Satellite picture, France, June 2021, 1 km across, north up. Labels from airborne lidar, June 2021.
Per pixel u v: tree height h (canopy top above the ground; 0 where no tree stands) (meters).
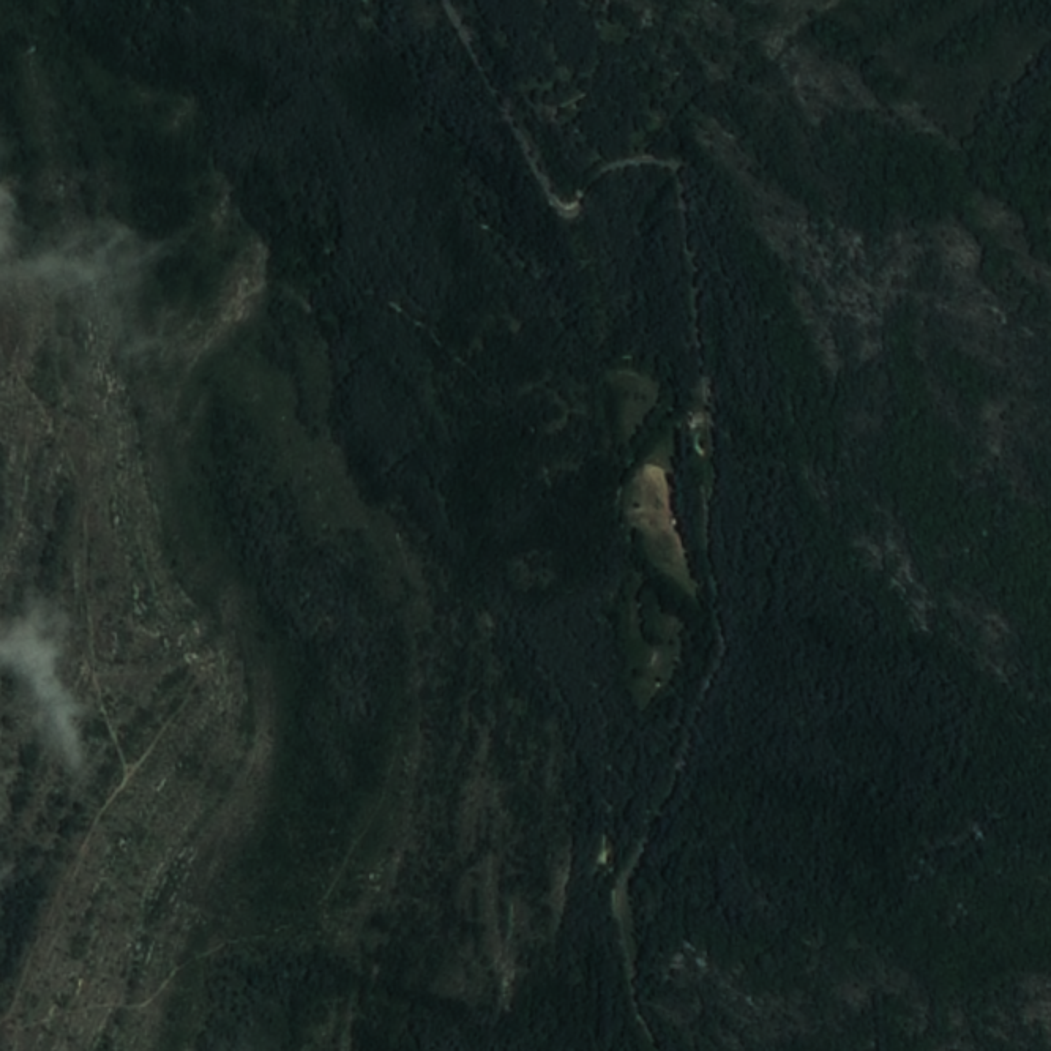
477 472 14
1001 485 6
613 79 14
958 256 0
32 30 7
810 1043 9
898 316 6
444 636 6
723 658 8
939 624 7
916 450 6
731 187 8
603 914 13
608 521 11
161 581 0
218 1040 12
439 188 10
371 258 16
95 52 10
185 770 0
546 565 11
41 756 0
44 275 0
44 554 7
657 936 6
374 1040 11
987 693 7
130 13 13
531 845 12
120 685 0
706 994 5
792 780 9
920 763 14
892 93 8
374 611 7
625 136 11
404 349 15
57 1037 0
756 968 8
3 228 0
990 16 6
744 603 12
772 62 6
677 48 10
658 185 14
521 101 9
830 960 7
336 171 16
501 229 19
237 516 9
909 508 5
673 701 12
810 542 8
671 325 13
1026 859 6
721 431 9
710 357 10
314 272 9
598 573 15
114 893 0
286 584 8
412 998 8
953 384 7
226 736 0
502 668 12
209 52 12
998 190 8
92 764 0
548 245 12
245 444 8
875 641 9
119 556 0
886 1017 9
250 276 0
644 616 10
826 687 11
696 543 13
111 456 0
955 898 6
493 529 12
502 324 11
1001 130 10
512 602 12
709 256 9
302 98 16
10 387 0
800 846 7
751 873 9
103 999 0
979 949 10
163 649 0
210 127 15
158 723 0
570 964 9
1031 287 6
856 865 8
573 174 13
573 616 18
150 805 0
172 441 0
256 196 13
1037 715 6
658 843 15
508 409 8
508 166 14
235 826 0
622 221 14
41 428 0
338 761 8
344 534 6
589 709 14
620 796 16
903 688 13
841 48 7
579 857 17
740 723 7
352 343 8
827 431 6
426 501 13
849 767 9
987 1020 8
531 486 9
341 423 18
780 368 7
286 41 13
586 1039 15
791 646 11
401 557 0
